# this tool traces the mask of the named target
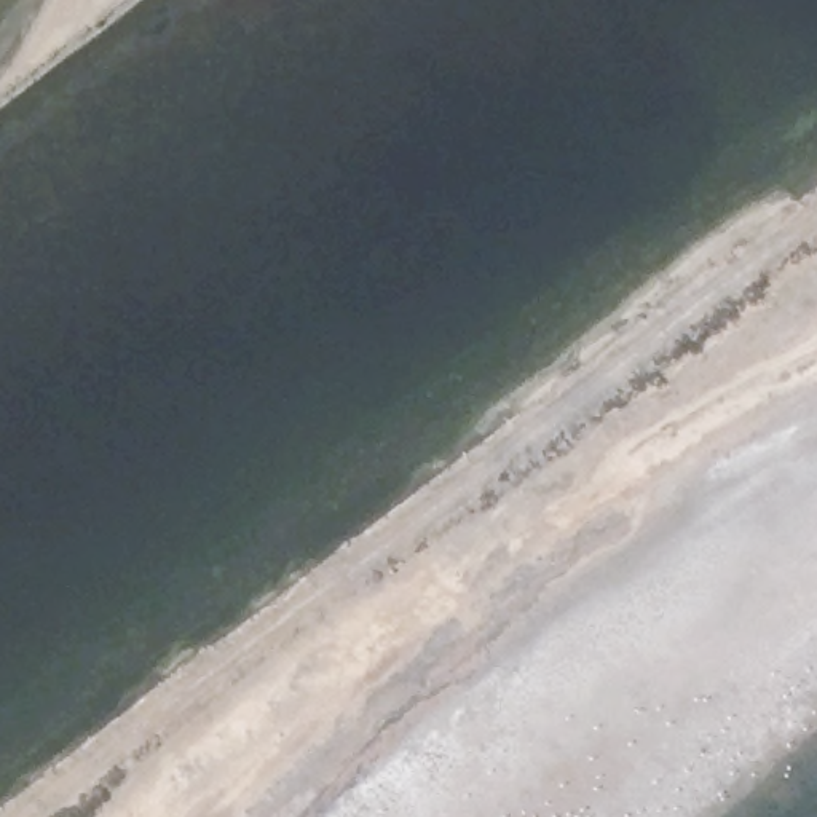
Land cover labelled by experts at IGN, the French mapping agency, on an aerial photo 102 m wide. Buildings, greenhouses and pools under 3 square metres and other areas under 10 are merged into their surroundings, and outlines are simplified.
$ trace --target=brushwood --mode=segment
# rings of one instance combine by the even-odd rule
[[[124,782],[124,769],[112,769],[77,807],[64,807],[54,817],[96,817]]]
[[[507,466],[498,476],[491,476],[482,491],[482,507],[491,511],[504,495],[511,495],[511,488],[523,485],[530,476],[555,463],[558,456],[571,453],[590,428],[603,424],[610,412],[626,409],[641,389],[667,383],[670,364],[702,351],[712,335],[718,335],[728,322],[740,316],[744,306],[753,306],[766,297],[769,274],[760,271],[756,281],[744,287],[737,297],[721,300],[705,319],[686,326],[683,338],[673,348],[654,354],[654,370],[641,370],[632,380],[619,383],[613,399],[584,405],[584,412],[571,418],[568,428],[558,428],[558,434],[546,447],[523,447],[527,466]]]

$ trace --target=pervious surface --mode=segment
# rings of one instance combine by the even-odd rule
[[[546,447],[558,434],[558,428],[568,428],[571,418],[584,412],[584,405],[613,399],[619,383],[632,380],[641,370],[654,370],[654,354],[673,348],[683,338],[686,326],[705,319],[721,300],[737,297],[744,287],[756,281],[760,271],[769,274],[766,297],[753,306],[744,306],[740,316],[728,322],[718,335],[712,335],[702,351],[670,364],[667,383],[641,389],[626,409],[610,412],[603,424],[590,428],[571,453],[558,456],[555,463],[530,476],[523,485],[511,488],[511,495],[504,495],[491,511],[482,507],[482,491],[491,476],[498,476],[507,466],[527,466],[523,447]],[[744,801],[760,779],[769,776],[779,756],[791,753],[801,737],[817,731],[817,188],[811,188],[801,198],[772,195],[760,204],[750,204],[731,220],[724,220],[718,230],[712,230],[705,239],[689,246],[670,268],[657,271],[619,310],[606,313],[590,332],[584,332],[581,341],[568,345],[543,373],[491,402],[463,434],[463,453],[444,472],[437,472],[428,485],[405,495],[357,536],[345,539],[329,558],[322,558],[303,574],[294,574],[287,590],[259,597],[252,616],[233,626],[223,638],[172,654],[166,664],[166,677],[153,689],[147,689],[131,708],[115,715],[105,728],[89,734],[70,753],[48,763],[38,776],[32,776],[32,782],[22,791],[0,804],[0,817],[54,817],[64,807],[77,807],[112,769],[124,769],[124,782],[96,817],[724,817],[731,804]]]
[[[118,22],[140,0],[45,0],[19,54],[0,73],[0,109],[13,102],[19,93],[26,93],[35,80],[41,80],[67,54],[93,41],[112,22]]]

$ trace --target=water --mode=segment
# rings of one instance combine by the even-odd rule
[[[0,73],[19,54],[45,0],[0,0]]]
[[[590,332],[606,313],[619,310],[657,271],[670,268],[689,246],[705,239],[712,230],[718,230],[724,220],[731,220],[750,204],[760,204],[772,195],[801,198],[811,188],[817,188],[817,0],[140,0],[118,22],[112,22],[93,41],[67,54],[41,80],[35,80],[26,93],[19,93],[13,102],[0,109],[0,804],[22,791],[32,782],[32,776],[38,776],[48,763],[70,753],[89,734],[105,728],[115,715],[131,708],[147,689],[153,689],[166,677],[166,664],[172,654],[223,638],[233,626],[252,616],[259,597],[287,590],[294,574],[303,574],[322,558],[329,558],[345,539],[357,536],[405,495],[428,485],[437,472],[444,472],[463,453],[463,434],[491,402],[543,373],[568,345],[581,341],[584,332]]]
[[[744,801],[731,804],[724,817],[817,817],[817,731],[801,737],[791,753],[779,756],[769,776],[760,779]]]

